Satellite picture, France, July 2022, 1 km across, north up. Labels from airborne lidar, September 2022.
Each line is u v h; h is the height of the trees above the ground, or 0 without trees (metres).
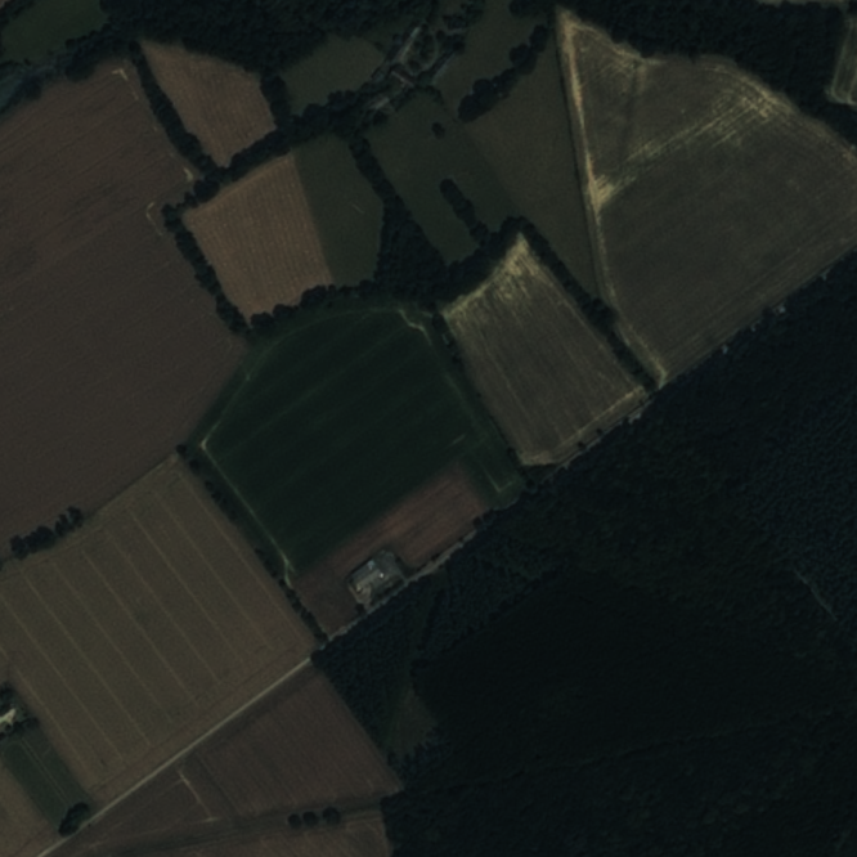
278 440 0
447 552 0
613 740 18
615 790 17
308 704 0
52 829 0
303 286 0
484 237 17
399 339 0
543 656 17
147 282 0
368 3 27
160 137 0
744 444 19
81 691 0
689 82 0
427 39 9
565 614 19
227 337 0
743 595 19
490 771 19
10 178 0
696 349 0
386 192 15
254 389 0
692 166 0
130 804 0
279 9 27
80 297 0
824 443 31
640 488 20
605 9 11
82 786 0
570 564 21
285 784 0
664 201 0
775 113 0
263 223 0
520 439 0
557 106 0
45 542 20
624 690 18
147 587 0
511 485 0
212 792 0
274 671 0
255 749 0
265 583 0
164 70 0
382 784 0
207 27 33
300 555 0
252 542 0
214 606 0
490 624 20
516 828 22
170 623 0
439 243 0
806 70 22
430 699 18
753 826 20
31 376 0
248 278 0
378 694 22
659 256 0
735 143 0
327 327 0
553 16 6
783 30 22
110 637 0
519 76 7
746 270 0
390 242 24
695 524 21
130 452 0
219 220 0
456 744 18
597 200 0
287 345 0
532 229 12
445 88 0
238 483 0
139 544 0
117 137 0
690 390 23
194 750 0
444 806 19
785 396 22
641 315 0
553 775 19
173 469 0
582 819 18
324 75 0
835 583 24
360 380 0
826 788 21
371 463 0
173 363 0
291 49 32
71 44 12
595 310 20
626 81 0
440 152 0
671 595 21
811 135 0
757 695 19
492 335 0
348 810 0
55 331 0
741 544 20
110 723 0
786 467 30
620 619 18
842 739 18
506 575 23
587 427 0
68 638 0
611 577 18
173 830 0
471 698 18
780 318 11
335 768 0
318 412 0
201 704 0
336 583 0
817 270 0
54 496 0
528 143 0
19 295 0
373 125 13
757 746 19
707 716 20
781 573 15
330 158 0
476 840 23
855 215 0
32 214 0
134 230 0
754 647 18
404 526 0
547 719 18
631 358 24
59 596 0
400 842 17
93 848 0
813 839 20
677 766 18
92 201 0
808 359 24
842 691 19
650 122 0
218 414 0
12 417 0
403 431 0
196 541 0
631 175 0
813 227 0
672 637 18
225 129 0
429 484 0
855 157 0
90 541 0
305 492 0
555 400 0
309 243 0
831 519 28
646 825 16
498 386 0
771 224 0
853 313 23
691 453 20
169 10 29
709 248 0
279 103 23
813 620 19
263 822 0
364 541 0
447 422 0
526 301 0
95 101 0
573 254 0
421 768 21
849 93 0
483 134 0
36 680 0
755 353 22
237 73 0
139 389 0
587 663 17
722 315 0
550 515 23
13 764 0
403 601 16
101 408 0
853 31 0
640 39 21
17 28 0
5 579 0
